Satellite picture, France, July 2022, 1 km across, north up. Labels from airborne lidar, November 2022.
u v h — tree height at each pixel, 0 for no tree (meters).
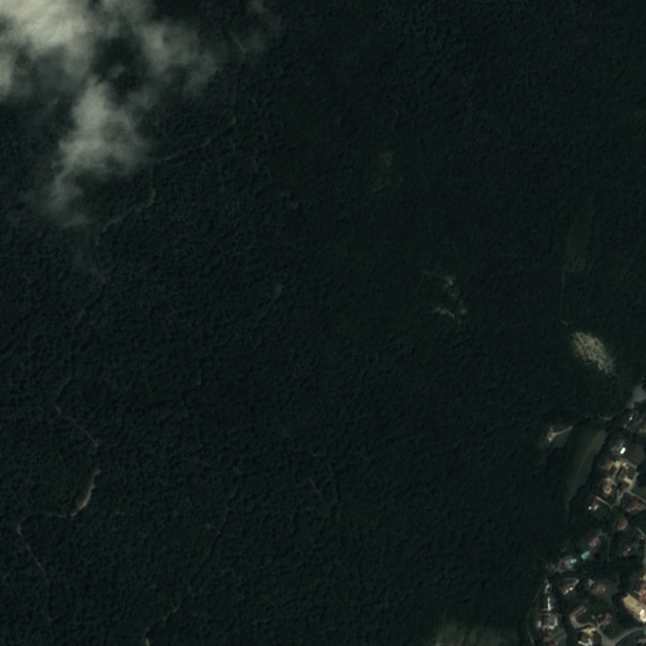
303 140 19
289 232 16
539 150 15
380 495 19
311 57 20
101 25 7
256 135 25
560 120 14
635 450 0
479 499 20
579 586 8
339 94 25
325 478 23
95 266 17
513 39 15
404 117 18
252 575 16
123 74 9
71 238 15
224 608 18
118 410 32
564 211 15
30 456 21
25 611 7
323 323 17
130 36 9
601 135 11
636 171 15
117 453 17
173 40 16
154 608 15
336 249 11
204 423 22
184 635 16
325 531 19
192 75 17
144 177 22
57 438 7
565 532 16
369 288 20
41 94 13
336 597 8
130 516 9
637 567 13
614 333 10
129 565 19
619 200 11
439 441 20
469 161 14
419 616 14
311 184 27
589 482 7
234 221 22
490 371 14
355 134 21
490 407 22
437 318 19
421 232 16
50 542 22
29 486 7
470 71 21
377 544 15
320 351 16
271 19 24
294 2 12
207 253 13
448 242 16
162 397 10
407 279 21
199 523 17
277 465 21
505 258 9
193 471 7
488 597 19
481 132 19
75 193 14
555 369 19
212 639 20
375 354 15
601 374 12
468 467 19
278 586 15
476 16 17
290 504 15
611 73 15
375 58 18
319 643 17
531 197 14
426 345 20
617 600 16
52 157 19
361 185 21
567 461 20
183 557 6
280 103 24
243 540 23
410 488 16
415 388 23
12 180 19
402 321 21
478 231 12
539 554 6
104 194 16
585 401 15
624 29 11
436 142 12
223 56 16
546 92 19
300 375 15
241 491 22
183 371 21
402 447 18
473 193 13
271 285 10
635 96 11
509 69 14
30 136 19
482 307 13
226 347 18
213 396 20
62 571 28
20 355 28
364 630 13
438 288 9
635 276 11
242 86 22
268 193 17
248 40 21
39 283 19
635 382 11
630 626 11
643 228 18
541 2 19
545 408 12
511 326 17
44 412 31
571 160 11
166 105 14
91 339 13
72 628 32
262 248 16
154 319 24
